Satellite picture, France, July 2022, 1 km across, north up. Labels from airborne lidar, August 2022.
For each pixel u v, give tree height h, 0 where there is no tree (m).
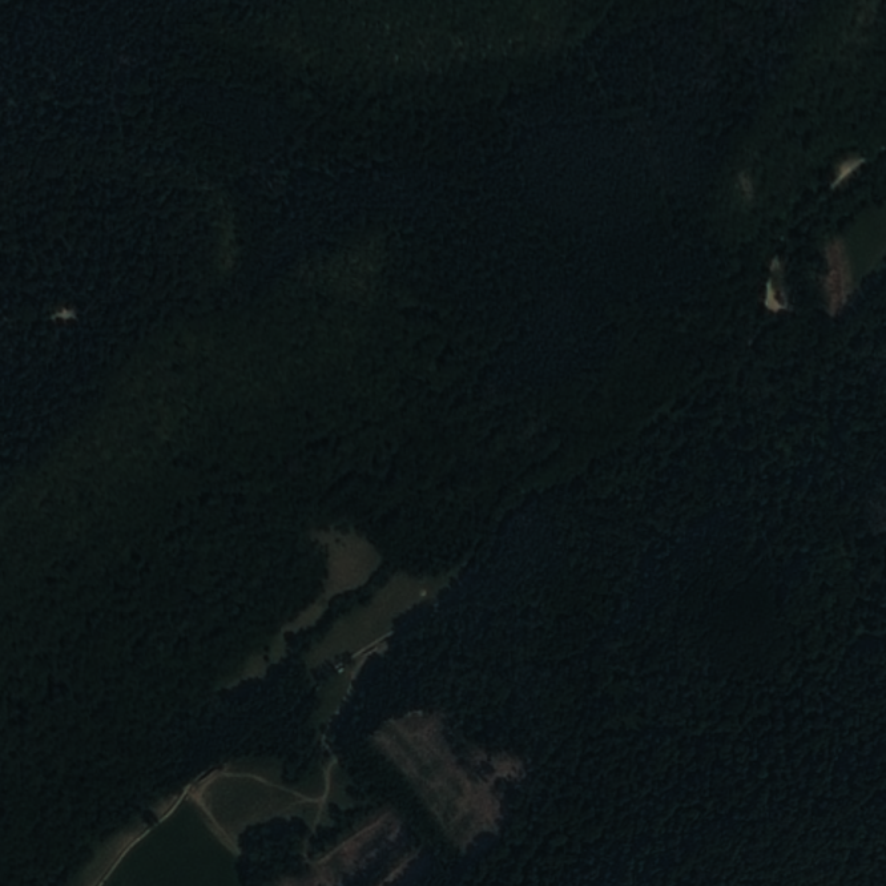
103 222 17
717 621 23
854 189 19
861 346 25
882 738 28
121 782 36
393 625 0
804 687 27
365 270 15
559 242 26
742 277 18
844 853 21
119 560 18
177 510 27
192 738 25
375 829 0
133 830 0
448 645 26
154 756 28
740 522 33
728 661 21
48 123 32
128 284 25
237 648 20
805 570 31
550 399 17
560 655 9
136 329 22
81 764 22
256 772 0
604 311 23
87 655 19
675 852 34
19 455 13
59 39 35
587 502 22
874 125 24
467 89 25
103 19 20
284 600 26
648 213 20
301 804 0
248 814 0
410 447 22
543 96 25
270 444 27
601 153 28
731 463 31
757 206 14
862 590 28
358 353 21
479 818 0
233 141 19
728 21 27
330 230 28
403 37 10
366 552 0
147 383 16
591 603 13
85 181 9
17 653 28
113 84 32
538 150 27
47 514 19
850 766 30
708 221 20
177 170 16
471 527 17
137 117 30
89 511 18
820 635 20
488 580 29
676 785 31
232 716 30
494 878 12
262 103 22
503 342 24
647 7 21
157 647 24
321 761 24
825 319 23
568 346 25
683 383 26
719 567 19
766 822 33
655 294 27
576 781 28
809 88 23
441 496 11
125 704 35
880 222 0
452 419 23
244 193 28
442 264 30
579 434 18
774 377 21
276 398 20
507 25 10
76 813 29
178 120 33
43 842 28
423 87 20
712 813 23
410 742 0
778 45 21
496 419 13
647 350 19
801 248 18
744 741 33
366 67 13
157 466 24
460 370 19
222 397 22
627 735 22
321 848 20
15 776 21
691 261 21
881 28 24
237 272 26
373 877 17
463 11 11
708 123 23
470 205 25
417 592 0
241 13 14
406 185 28
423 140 18
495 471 12
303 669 20
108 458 12
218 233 14
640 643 24
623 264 26
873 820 23
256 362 16
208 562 30
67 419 17
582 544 23
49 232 23
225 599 22
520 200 25
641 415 27
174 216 19
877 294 30
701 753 29
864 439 33
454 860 6
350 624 0
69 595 25
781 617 12
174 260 22
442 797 0
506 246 29
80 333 18
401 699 26
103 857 0
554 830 30
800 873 24
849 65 23
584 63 19
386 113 14
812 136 25
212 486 26
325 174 29
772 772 30
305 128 16
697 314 22
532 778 30
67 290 25
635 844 14
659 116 24
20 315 17
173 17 16
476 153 24
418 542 10
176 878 0
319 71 20
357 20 10
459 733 19
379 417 26
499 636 31
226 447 24
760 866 26
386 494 23
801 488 36
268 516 22
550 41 7
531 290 26
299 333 20
